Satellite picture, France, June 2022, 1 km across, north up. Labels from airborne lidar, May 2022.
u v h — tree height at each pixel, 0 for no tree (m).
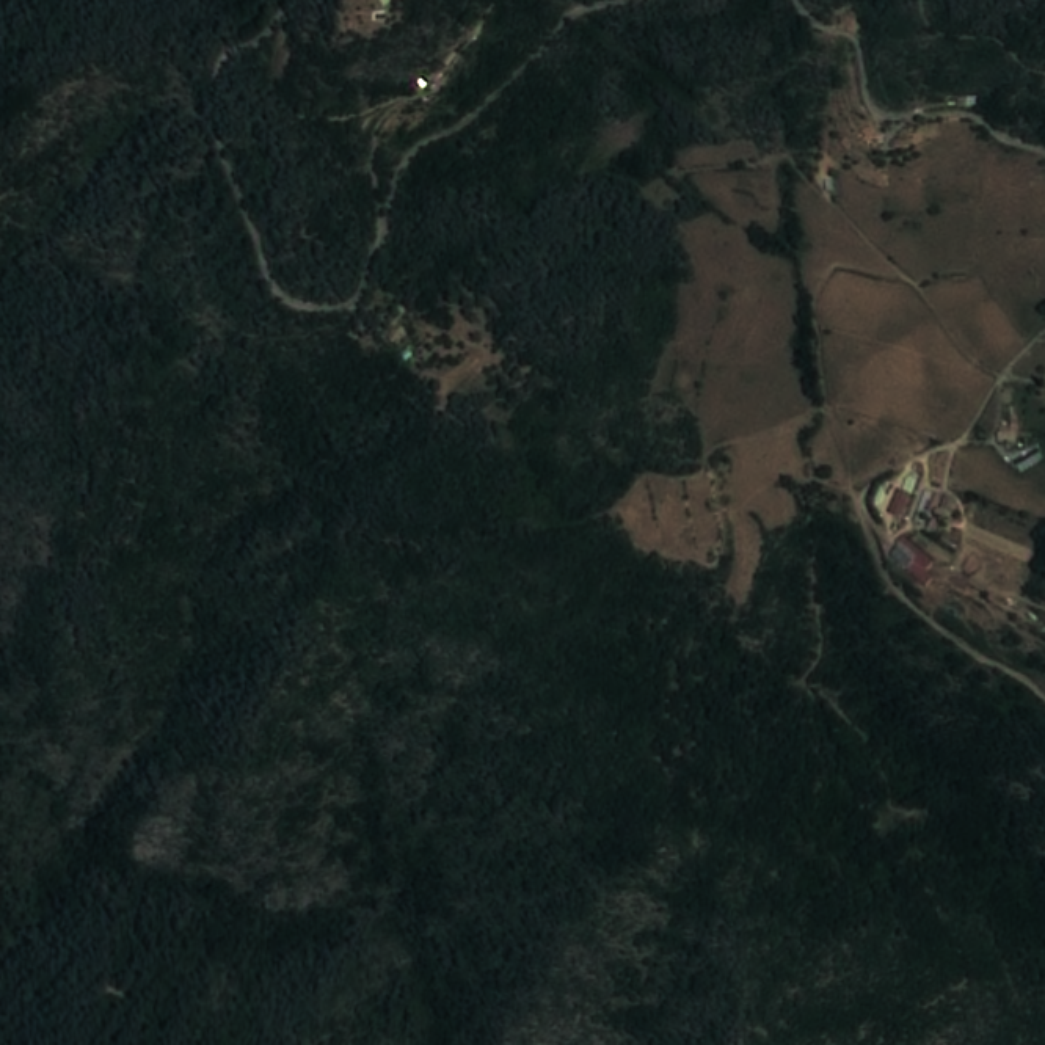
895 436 0
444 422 13
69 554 11
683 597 6
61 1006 17
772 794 17
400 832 10
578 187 10
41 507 7
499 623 11
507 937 10
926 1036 6
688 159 0
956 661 8
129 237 9
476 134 12
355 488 12
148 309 7
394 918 11
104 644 13
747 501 0
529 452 7
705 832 6
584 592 6
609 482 6
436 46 7
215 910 8
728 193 0
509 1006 6
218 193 11
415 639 9
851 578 11
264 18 15
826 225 0
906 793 9
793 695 13
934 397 0
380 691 12
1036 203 0
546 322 13
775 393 0
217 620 11
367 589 7
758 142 9
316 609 6
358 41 10
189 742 7
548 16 10
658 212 16
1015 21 12
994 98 9
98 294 16
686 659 11
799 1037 7
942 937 10
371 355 6
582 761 10
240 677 24
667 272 11
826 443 0
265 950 15
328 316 8
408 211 19
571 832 8
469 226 18
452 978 15
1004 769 8
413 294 16
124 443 15
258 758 12
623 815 14
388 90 12
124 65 12
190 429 8
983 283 0
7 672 6
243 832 7
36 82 8
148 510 13
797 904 13
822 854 8
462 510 15
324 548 11
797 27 9
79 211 13
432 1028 9
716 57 7
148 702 8
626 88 11
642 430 7
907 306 0
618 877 9
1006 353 0
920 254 0
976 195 0
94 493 15
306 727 6
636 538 0
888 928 7
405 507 15
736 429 0
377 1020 9
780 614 6
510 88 16
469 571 7
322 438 10
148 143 8
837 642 10
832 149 0
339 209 11
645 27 12
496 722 9
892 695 17
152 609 5
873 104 0
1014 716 10
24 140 12
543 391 8
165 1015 17
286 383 7
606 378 11
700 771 14
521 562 6
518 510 0
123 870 19
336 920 16
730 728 17
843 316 0
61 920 24
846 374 0
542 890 10
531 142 7
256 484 9
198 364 11
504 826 7
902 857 15
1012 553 0
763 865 7
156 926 15
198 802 7
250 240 12
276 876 6
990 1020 6
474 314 15
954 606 0
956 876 9
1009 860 12
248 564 8
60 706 7
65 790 17
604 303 16
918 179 0
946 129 0
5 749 19
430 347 13
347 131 8
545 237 12
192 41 13
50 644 8
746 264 0
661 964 8
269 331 14
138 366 5
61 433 6
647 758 6
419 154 11
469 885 7
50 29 21
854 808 13
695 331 0
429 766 7
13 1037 21
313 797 9
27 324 13
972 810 12
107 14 16
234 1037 14
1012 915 14
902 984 7
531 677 6
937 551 0
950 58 6
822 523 13
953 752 12
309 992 15
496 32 7
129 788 8
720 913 8
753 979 9
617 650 15
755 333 0
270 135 17
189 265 14
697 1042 7
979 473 0
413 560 12
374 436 15
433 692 11
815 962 8
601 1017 9
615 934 12
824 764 11
